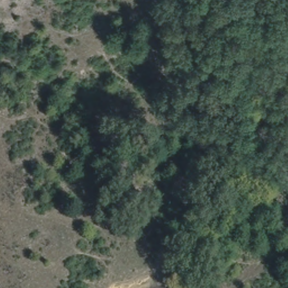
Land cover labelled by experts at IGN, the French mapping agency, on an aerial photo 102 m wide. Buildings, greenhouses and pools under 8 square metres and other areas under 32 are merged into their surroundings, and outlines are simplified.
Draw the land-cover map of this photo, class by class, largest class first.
<instances>
[{"label":"coniferous trees","instance_id":"1","mask_svg":"<svg viewBox=\"0 0 288 288\"><path fill-rule=\"evenodd\" d=\"M153 17L157 22V35L164 40L162 48L166 60L161 72L156 74L157 84L151 92L153 101L150 105L144 109L145 125L137 120L129 121L126 125L123 118L102 116L98 120V126L92 127L88 132L91 151L82 165L83 174L90 181V195L94 206H97L96 215L91 217L92 224L107 229L111 235H136L138 238L142 236L143 227L150 222L152 216H163L159 210L162 193L155 183L151 187L146 184V187L138 190L133 186L134 173L142 168L143 164L150 163L152 157L159 153V148L155 146L157 139L163 138L168 142L172 141L173 135L178 136L180 146L191 147L200 142L208 148L198 166H193L189 171V192L183 191L180 196L182 211L187 213L183 216L187 219L182 224L172 220L174 234L165 236L164 242L156 249L157 262L160 263L159 278L169 279L177 273L179 286L182 288H220V281L224 271L220 263L222 254L213 247H207L202 236L211 234L213 237H222L229 232L222 224L224 215L231 211L224 192L226 182L231 179L228 159L234 152L232 147L237 141L247 143L250 137L241 134L244 121L238 116V107L232 105L238 92L245 90L242 80L247 78L252 69L256 71L253 75L256 76V84L260 91L252 94L255 112H247V117H253V125L256 127L254 152L261 154L267 151L271 154L267 160L270 165L267 173L256 179H259L261 187L276 182L281 192H288V0H168L165 3L151 2Z\"/></svg>","mask_w":288,"mask_h":288},{"label":"herbaceous vegetation","instance_id":"2","mask_svg":"<svg viewBox=\"0 0 288 288\"><path fill-rule=\"evenodd\" d=\"M165 3L168 0H134V7L121 2L117 11H108L107 15L94 13L88 29L65 31L51 25L52 12H63L54 0H0V24H4V30L11 31L13 35L22 39L33 31L31 21L37 19L42 22L44 29L39 30L37 36L40 39L49 37L48 46L60 47L58 54L66 57L65 65L62 66L65 71L72 72L71 79L75 83L89 78L93 67L88 65V58L102 56L103 60L107 61L112 58L101 43L103 31L114 24L129 25L137 17H141L150 28V36L147 38L148 53L142 63H134L129 67L127 79L138 91H144L143 98L150 105L153 101L151 92L157 84L156 74L161 72L166 60L162 48L164 40L157 35V22L153 17L151 2ZM28 117L24 112L16 115L8 108L0 109V288H57L60 280H67L69 276V270L64 267L63 261L67 256L75 254L90 256L100 261L105 268L99 279L82 281L88 288H108L116 281H134L148 276L154 281H159L162 288H182L179 286L177 273L169 279L159 278L160 263L157 262L156 249L164 242L165 236L174 234L172 220L182 224L187 219L183 216L187 213L182 211L180 196L183 191L189 192V171L193 166H198L208 148L200 142L191 147L180 146L177 152L166 157V160L155 168V171L160 173L169 169L171 165L177 166V172L172 177L153 182L151 178L143 177L142 168L134 173L133 186L138 190L146 187V184L151 187L155 183L162 193L159 210L163 216H152L150 222L143 227L142 236L138 238L135 245H125L117 240L119 250L112 249L105 255L81 251L76 247V241L84 234L83 220L62 215L55 208L45 211L44 214H37L35 207L38 206V201L27 204L22 195L27 187L26 169L22 164L25 160L16 157L15 160L9 161L10 146L2 136L17 120H26ZM235 262L243 264L241 276L235 279L234 283L220 281V288H251L252 280L260 278L265 269L260 260L237 259Z\"/></svg>","mask_w":288,"mask_h":288},{"label":"brushwood","instance_id":"3","mask_svg":"<svg viewBox=\"0 0 288 288\"><path fill-rule=\"evenodd\" d=\"M121 2L134 7V0H54L63 12H52L51 25L65 31L88 29L94 13L107 15L108 11H117ZM33 31L22 39L13 35L11 31L4 30V24H0V109L8 108L16 115L24 112L28 117L26 120H17L2 136L10 146L9 161L15 160L16 157L25 160L22 164L26 169L27 187L22 195L27 204L38 201V206L35 207L37 214H44L45 211L55 208L62 215L83 220L84 234L76 241V247L81 251L105 255L112 249L119 250L117 240L125 245H135L138 238L136 235H111L107 229L92 224L91 217L96 215L97 206H94L90 195V181L83 174L75 181L69 177L76 157L82 152L81 146H75L70 139L82 128L88 132L92 127L98 126V120L102 116L123 118L126 125L129 121L137 120L145 125L144 109L150 105L143 98L144 91H138L127 79L129 67L134 63L126 62L123 58L116 61L112 58L107 61L103 60L102 56L88 58V65L93 67L89 78L75 83V99L69 108L49 118L45 115L48 107L57 98L56 94L61 92L63 84L71 79L72 72L65 71L62 66L65 65L66 57L58 54L60 47L48 46L49 37L40 39L37 36L39 30L44 29L42 22L37 19L31 21ZM64 267L69 270V276L67 280H60L57 288H88L82 281L99 279L105 268L100 261L90 256L75 254L67 256L63 261ZM243 264L235 262L224 271L220 281L234 283L235 279L241 276ZM251 288H288V287L283 286L279 279L274 280L268 269H265L260 278L252 280Z\"/></svg>","mask_w":288,"mask_h":288},{"label":"deciduous trees","instance_id":"4","mask_svg":"<svg viewBox=\"0 0 288 288\"><path fill-rule=\"evenodd\" d=\"M150 36V28L141 17H137L129 25L114 24L103 31L101 43L112 58L116 61L123 58L126 62L134 63H142L148 53L147 38ZM256 71L252 69L247 78L242 80L245 90L238 92L232 105L238 107V116L244 121L241 134L250 137L247 143L237 141L232 147L234 152L228 159L231 179L226 182L224 192L231 211L224 215L222 224L229 232L222 237H213L211 234L202 236L207 247H213L222 254L220 263L224 271L235 262L237 259L260 260L265 269H268L274 280L279 279L283 286L288 287V192H281L276 182L261 187L259 179H256L267 173L270 165L267 160L271 154L267 151L261 154L254 152L256 127L253 125V117H247V112H255L252 94L260 91L256 84V76L253 75ZM75 83L71 79L63 84L61 92L56 94L57 98L48 107L45 115L49 118L69 108L75 99ZM75 146H81L82 152L76 157L69 177L75 181L83 174L82 165L91 151L88 132L82 128L70 139ZM155 146L159 148V153L152 157L150 163L143 164L142 168L143 177L151 178L153 182L172 177L177 172V166L171 165L169 169L160 173L155 171V168L166 160V157L177 152L180 146L178 136L173 135L172 141L168 142L163 138L157 139Z\"/></svg>","mask_w":288,"mask_h":288},{"label":"bare soil","instance_id":"5","mask_svg":"<svg viewBox=\"0 0 288 288\"><path fill-rule=\"evenodd\" d=\"M108 288H162L159 281H154L148 276L134 281H116Z\"/></svg>","mask_w":288,"mask_h":288}]
</instances>
